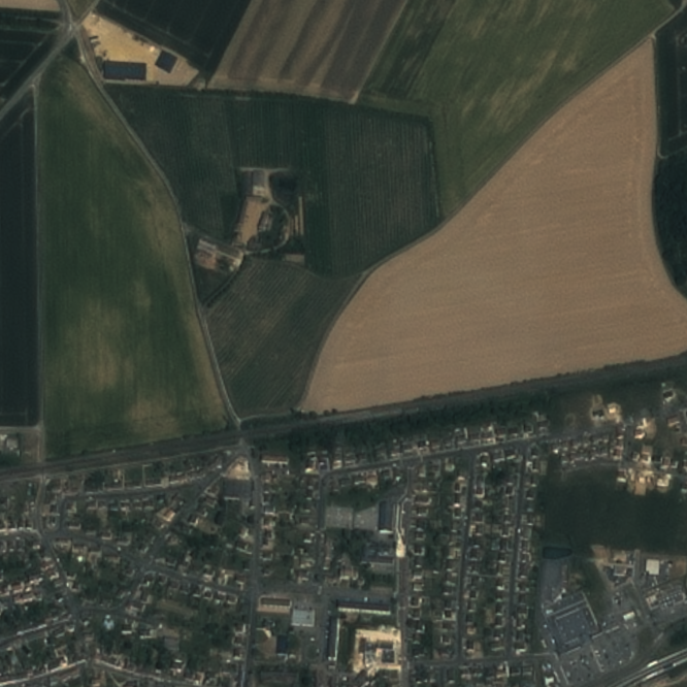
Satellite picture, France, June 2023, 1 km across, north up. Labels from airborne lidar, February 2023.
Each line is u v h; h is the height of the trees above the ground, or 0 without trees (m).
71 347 0
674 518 0
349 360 0
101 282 0
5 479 0
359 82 0
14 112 0
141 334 0
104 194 0
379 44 0
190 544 7
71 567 0
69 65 0
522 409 6
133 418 0
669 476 0
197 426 0
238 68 0
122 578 6
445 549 7
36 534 0
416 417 12
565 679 0
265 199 0
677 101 0
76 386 0
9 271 0
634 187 0
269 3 0
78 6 0
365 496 0
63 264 0
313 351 0
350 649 0
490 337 0
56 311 0
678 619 0
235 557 6
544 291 0
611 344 0
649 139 0
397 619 0
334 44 0
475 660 0
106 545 0
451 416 6
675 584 0
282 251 12
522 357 0
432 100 0
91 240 0
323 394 0
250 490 0
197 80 0
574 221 0
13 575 0
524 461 0
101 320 0
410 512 0
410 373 0
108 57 0
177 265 0
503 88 0
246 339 0
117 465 0
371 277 0
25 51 0
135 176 0
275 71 0
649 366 0
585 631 0
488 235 0
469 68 0
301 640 0
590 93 0
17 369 0
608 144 0
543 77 0
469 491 0
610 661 0
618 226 0
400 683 0
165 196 0
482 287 0
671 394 8
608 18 0
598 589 0
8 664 6
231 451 0
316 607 0
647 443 0
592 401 0
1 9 9
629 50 0
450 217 0
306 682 11
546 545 0
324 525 0
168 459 0
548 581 0
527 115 0
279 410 0
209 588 0
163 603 0
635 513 0
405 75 0
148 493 0
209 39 0
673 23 0
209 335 0
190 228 0
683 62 0
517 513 0
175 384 0
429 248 0
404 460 0
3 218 0
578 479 0
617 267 0
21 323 0
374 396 0
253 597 0
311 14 0
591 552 0
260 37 0
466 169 0
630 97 0
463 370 0
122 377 0
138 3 0
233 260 0
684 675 0
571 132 0
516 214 0
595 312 0
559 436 0
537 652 0
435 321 0
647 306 0
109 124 0
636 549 0
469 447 0
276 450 0
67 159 0
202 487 0
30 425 0
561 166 0
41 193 0
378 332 0
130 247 0
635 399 0
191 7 0
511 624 0
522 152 0
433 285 0
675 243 10
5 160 0
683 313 0
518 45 0
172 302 0
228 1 0
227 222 0
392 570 0
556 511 0
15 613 9
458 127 0
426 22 0
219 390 0
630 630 0
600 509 0
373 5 0
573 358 0
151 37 0
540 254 0
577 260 0
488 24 0
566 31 0
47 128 0
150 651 9
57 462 0
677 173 16
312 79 0
